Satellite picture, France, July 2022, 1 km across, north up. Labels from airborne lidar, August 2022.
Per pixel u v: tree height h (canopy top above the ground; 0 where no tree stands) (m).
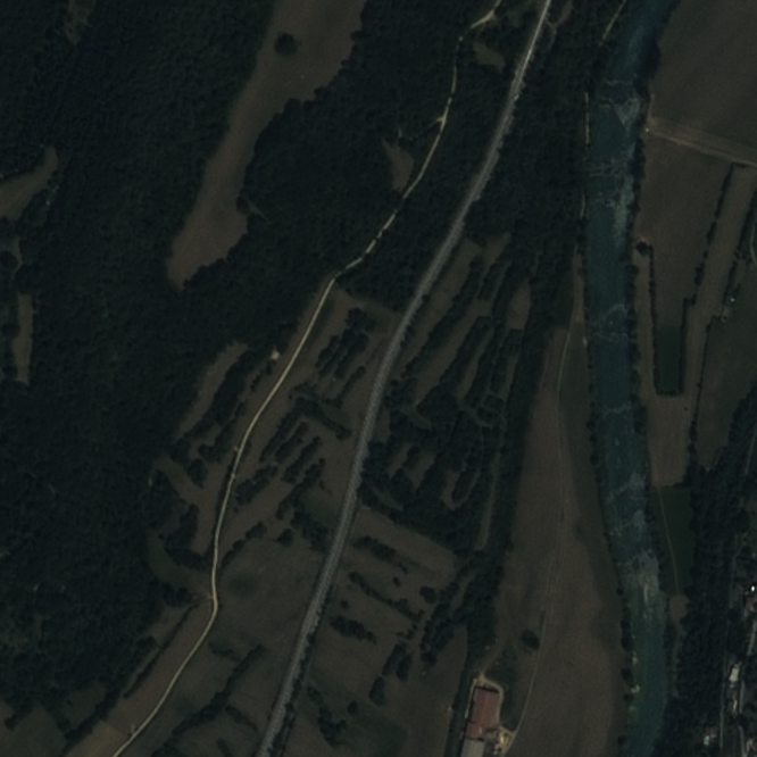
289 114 13
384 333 0
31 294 7
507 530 8
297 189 17
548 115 20
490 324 7
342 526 0
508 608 0
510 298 7
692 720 21
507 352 8
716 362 0
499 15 12
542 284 8
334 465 0
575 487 0
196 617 0
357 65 12
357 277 12
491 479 11
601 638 0
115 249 12
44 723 0
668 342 0
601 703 0
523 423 11
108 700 12
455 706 8
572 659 0
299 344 0
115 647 12
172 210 21
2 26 15
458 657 0
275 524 0
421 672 0
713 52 0
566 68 20
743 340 0
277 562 0
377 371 0
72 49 22
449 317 7
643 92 28
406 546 0
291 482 10
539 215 19
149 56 8
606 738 0
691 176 0
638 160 14
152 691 0
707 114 0
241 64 14
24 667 13
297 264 17
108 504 17
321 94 12
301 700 0
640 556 0
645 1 0
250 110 0
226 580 0
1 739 0
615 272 0
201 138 13
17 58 16
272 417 0
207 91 10
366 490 13
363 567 0
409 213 15
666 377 0
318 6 0
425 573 0
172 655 0
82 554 8
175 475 0
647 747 0
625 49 0
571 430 0
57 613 14
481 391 9
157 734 0
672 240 0
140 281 12
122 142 11
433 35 20
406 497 14
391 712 0
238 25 18
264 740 0
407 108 8
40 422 18
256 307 11
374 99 18
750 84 0
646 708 0
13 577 16
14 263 17
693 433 12
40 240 20
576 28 14
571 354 0
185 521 11
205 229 0
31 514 16
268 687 0
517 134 14
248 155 0
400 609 8
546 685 0
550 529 0
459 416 12
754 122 0
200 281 19
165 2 13
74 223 17
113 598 11
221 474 0
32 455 19
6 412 20
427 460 0
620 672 0
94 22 18
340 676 0
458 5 16
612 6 21
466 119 6
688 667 22
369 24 14
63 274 18
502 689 0
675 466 0
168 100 7
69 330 18
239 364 7
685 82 0
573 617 0
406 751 0
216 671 0
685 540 0
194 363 15
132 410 19
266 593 0
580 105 11
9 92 12
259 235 20
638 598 0
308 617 0
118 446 20
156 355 15
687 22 0
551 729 0
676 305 0
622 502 0
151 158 12
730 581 8
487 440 7
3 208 0
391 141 16
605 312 0
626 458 0
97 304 12
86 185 17
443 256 0
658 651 0
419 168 8
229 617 0
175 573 0
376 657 0
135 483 13
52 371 18
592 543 0
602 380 0
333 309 0
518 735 0
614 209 0
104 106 21
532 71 10
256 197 20
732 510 15
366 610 0
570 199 9
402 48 22
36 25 20
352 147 20
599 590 0
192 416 0
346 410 0
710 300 0
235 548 8
